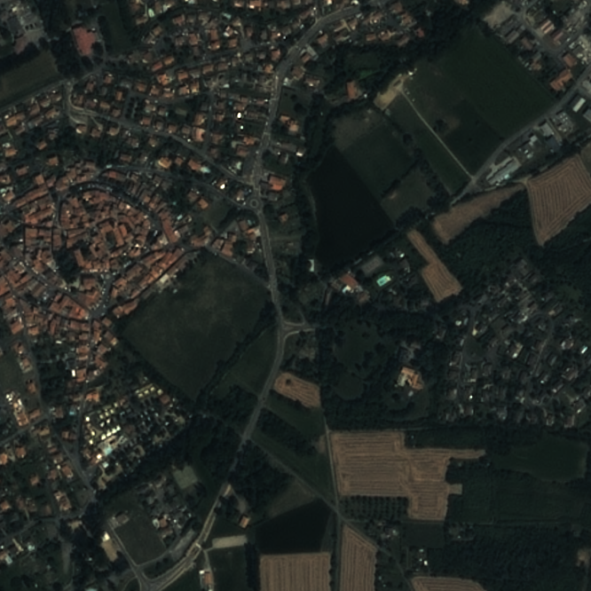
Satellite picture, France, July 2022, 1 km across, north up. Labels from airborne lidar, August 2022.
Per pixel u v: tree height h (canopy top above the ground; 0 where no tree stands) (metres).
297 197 9
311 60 10
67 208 0
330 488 0
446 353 16
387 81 15
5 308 0
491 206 0
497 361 0
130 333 0
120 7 11
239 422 15
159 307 0
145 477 18
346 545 0
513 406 9
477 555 9
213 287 0
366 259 12
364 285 11
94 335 0
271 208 7
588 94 0
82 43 0
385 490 0
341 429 8
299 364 8
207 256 11
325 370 17
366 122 0
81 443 8
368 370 14
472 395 8
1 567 11
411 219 23
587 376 10
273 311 17
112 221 0
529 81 0
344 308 18
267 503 11
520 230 9
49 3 20
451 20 13
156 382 8
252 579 28
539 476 0
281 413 0
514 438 8
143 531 0
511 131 0
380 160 0
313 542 0
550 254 10
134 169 0
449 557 12
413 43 12
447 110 0
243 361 0
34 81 0
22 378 0
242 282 0
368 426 13
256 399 7
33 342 0
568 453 0
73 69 29
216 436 8
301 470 0
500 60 0
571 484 9
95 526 32
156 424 11
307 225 14
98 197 0
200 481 0
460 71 0
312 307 13
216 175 7
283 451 0
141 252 6
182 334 0
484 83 0
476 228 10
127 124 0
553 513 0
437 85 0
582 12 0
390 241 8
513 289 8
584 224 5
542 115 0
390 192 6
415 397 0
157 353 0
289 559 0
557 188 0
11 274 0
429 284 0
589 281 8
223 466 19
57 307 0
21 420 0
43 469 0
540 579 6
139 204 6
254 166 0
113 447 0
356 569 0
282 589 0
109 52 15
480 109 0
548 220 0
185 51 5
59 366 10
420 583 0
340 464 0
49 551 9
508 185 7
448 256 7
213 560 0
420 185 0
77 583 15
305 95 0
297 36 8
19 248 0
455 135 0
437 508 0
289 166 0
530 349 10
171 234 0
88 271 0
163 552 0
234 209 9
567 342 0
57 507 0
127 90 7
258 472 21
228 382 0
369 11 12
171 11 11
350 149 0
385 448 0
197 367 0
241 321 0
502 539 5
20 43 0
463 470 11
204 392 17
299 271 16
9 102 0
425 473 0
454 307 13
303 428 0
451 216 0
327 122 12
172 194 7
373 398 15
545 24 0
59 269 9
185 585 0
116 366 0
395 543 0
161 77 0
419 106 0
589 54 0
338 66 19
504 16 0
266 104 0
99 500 17
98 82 0
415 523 0
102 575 13
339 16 0
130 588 0
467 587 0
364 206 0
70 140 14
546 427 6
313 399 0
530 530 6
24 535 0
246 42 0
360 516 7
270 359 0
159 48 0
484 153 0
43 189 0
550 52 0
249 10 7
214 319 0
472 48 0
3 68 21
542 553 8
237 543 0
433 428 7
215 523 0
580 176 0
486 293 9
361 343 0
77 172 0
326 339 15
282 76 0
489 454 9
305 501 0
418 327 17
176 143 6
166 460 18
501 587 7
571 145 9
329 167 0
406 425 7
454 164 0
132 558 0
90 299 0
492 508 6
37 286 0
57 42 11
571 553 9
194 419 17
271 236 0
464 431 7
